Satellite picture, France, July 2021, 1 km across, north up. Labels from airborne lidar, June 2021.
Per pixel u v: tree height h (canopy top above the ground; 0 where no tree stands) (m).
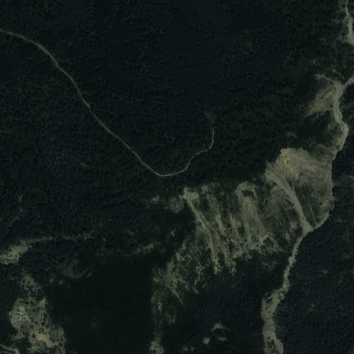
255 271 7
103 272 8
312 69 10
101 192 20
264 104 24
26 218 19
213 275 6
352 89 18
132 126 9
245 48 13
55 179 24
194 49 13
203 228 0
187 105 14
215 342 6
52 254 19
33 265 23
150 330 8
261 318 12
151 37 12
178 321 9
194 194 0
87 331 8
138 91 12
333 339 11
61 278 9
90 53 17
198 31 15
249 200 0
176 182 15
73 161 11
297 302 18
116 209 22
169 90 13
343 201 5
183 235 8
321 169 0
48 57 10
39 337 0
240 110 14
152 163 16
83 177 20
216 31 17
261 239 0
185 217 7
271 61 17
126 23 10
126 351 9
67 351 6
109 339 9
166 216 7
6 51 22
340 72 8
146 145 20
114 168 20
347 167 18
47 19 25
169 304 7
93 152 15
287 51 15
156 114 15
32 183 23
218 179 7
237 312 8
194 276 6
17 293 10
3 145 15
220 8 12
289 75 0
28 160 18
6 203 23
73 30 13
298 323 13
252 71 14
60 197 13
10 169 27
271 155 18
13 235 34
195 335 17
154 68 12
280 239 9
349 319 8
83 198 13
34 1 12
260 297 11
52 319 7
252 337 8
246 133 7
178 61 18
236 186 6
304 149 10
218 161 19
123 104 16
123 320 12
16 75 9
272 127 30
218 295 11
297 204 0
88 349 9
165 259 9
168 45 14
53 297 10
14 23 27
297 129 6
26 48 15
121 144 12
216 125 13
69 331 9
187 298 6
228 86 10
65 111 12
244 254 6
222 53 20
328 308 14
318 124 7
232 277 6
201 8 17
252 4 16
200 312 13
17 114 12
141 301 12
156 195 11
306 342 18
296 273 14
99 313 8
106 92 26
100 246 14
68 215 27
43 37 13
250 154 27
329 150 0
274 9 18
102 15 14
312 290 14
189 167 8
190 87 15
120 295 12
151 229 7
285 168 0
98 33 14
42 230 23
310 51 8
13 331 12
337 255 6
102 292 11
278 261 5
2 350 8
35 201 23
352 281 10
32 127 17
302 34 0
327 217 0
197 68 14
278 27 14
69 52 14
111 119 13
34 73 15
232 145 18
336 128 6
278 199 0
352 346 8
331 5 23
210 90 17
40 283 8
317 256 14
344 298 15
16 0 8
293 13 24
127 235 7
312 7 29
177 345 9
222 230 0
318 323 13
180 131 15
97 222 8
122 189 11
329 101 0
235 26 19
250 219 0
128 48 12
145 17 11
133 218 17
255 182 7
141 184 13
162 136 10
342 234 13
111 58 13
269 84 26
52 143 16
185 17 22
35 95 21
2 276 14
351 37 0
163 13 11
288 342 15
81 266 15
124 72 15
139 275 9
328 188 0
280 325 10
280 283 8
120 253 6
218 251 0
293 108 22
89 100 15
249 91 17
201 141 20
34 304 7
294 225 0
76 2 28
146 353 6
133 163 7
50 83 10
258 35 11
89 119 19
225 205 5
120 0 11
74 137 21
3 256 0
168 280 0
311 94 12
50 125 18
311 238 6
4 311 13
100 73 16
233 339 8
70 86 21
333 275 12
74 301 12
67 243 32
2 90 16
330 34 18
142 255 6
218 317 15
